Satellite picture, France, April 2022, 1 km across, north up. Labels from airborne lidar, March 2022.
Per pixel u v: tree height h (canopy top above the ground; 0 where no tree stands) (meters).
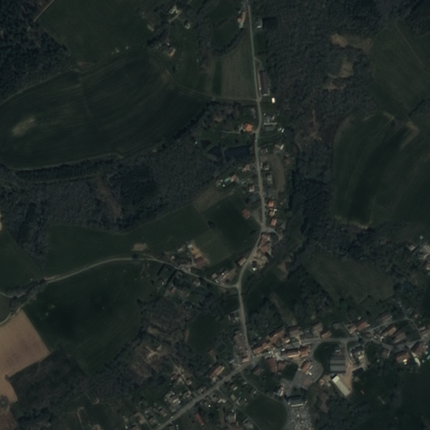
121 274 0
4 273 0
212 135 0
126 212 19
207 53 8
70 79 0
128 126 0
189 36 0
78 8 0
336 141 0
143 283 0
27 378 0
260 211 0
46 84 0
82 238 0
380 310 0
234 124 0
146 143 0
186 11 12
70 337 0
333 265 0
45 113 0
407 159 0
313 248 18
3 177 25
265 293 0
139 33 0
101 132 0
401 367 0
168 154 12
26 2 29
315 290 0
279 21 15
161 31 17
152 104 0
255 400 0
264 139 0
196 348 0
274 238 20
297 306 25
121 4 0
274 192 0
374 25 10
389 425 0
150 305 15
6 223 16
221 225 0
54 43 20
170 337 0
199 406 8
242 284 0
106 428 0
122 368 29
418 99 0
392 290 0
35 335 0
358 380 0
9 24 16
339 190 0
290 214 19
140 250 0
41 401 0
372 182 0
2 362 0
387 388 0
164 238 0
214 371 0
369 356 0
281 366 0
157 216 17
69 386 0
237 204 0
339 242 16
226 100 0
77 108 0
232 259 0
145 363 0
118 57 0
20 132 0
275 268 0
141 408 0
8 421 0
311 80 19
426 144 0
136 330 0
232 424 6
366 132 0
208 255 0
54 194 10
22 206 18
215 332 0
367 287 0
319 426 13
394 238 0
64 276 0
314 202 29
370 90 0
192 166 17
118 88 0
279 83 15
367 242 25
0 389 0
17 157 0
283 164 0
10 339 0
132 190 30
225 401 0
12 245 0
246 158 9
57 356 0
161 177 19
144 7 0
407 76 0
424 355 0
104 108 0
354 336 0
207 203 0
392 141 0
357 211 0
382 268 0
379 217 0
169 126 0
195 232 0
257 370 0
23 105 0
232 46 10
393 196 0
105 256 0
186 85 0
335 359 0
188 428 0
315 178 9
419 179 0
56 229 0
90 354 0
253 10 0
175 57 0
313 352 0
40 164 0
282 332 0
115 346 0
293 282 0
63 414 0
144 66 0
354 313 18
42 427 0
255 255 0
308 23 15
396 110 0
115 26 0
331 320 0
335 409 20
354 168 0
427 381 0
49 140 0
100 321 0
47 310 0
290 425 0
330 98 17
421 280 0
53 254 0
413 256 17
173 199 12
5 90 28
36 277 0
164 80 0
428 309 0
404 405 0
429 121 0
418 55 0
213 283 0
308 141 0
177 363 15
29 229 28
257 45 0
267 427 0
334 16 14
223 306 6
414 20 9
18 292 17
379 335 0
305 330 0
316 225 25
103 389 10
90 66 0
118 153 0
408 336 13
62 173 21
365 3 11
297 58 19
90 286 0
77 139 0
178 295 0
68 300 0
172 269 7
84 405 0
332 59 6
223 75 0
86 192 17
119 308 0
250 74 0
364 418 20
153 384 21
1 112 0
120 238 0
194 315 7
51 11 0
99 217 22
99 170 18
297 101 7
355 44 0
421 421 0
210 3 14
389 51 0
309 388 0
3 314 0
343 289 0
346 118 0
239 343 0
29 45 33
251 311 0
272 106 0
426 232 0
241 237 0
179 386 0
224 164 25
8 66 25
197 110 0
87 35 0
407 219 0
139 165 18
